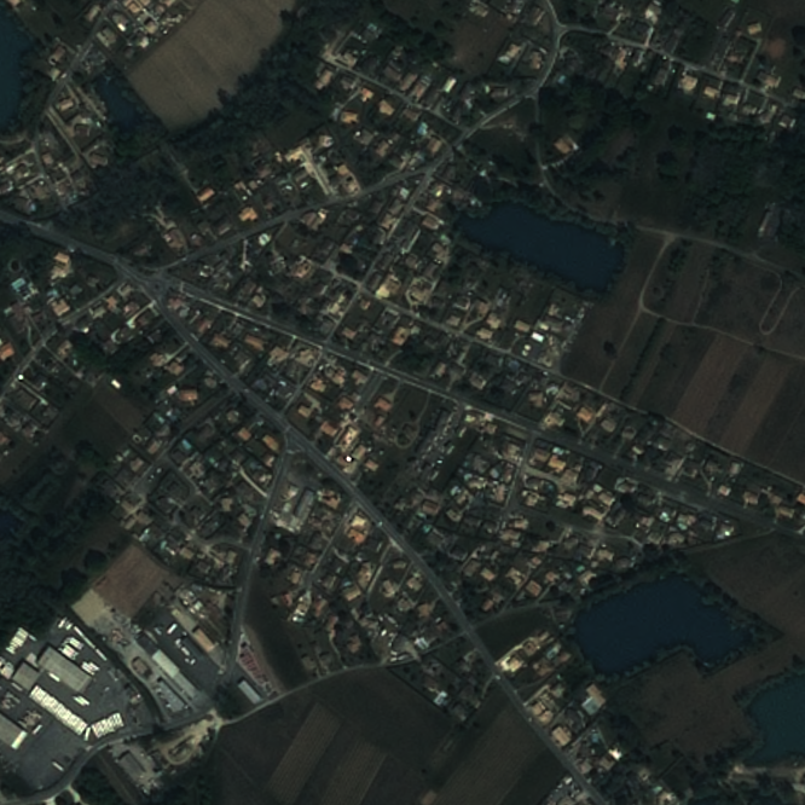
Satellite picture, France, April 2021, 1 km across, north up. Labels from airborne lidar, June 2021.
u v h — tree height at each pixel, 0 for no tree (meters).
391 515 8
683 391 0
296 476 0
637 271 0
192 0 0
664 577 11
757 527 0
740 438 0
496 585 11
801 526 0
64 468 8
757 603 0
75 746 0
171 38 0
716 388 0
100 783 15
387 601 0
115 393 0
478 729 10
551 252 0
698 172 15
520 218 0
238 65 0
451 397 0
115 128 9
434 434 0
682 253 9
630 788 7
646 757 14
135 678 0
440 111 0
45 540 25
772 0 0
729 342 0
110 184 21
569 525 0
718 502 0
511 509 0
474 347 0
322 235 6
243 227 0
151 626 0
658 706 0
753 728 10
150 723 0
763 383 0
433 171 0
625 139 0
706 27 9
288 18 15
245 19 0
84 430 0
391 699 0
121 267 0
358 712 0
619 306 0
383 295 0
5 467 0
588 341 0
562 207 18
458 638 6
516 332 0
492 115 0
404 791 0
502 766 0
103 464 11
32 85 16
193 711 0
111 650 0
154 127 22
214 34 0
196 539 0
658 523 6
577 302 0
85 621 0
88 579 10
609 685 11
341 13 23
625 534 0
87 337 13
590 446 0
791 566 0
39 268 17
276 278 8
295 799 0
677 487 0
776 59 0
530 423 0
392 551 0
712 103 0
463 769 0
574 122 19
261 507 0
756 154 14
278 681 0
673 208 0
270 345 8
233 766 0
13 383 0
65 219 15
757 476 9
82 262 15
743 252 0
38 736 0
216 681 0
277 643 0
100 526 0
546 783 0
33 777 0
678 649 8
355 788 0
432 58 8
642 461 12
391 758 0
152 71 0
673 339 0
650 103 0
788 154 22
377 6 18
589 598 11
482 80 9
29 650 0
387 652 0
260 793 0
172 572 0
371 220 9
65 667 0
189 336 0
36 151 0
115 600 0
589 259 0
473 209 8
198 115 0
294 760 0
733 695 0
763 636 14
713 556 0
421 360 12
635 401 0
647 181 0
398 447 0
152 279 0
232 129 20
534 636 0
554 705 0
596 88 14
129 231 0
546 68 0
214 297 0
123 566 0
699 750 0
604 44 10
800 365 0
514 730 0
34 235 15
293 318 14
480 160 10
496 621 0
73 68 0
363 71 10
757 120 7
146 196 22
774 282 0
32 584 13
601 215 0
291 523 0
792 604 0
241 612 0
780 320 0
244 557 0
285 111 27
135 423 0
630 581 13
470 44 0
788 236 16
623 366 0
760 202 0
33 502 12
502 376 7
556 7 0
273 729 0
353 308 0
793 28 0
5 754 0
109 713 0
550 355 0
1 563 19
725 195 13
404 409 0
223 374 0
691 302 0
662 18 11
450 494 7
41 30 0
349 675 0
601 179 22
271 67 20
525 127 0
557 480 0
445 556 10
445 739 0
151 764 0
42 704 0
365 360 0
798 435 0
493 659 0
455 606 0
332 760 0
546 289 0
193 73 0
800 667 20
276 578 6
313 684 0
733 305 0
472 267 8
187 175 0
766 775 0
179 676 0
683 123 0
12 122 7
